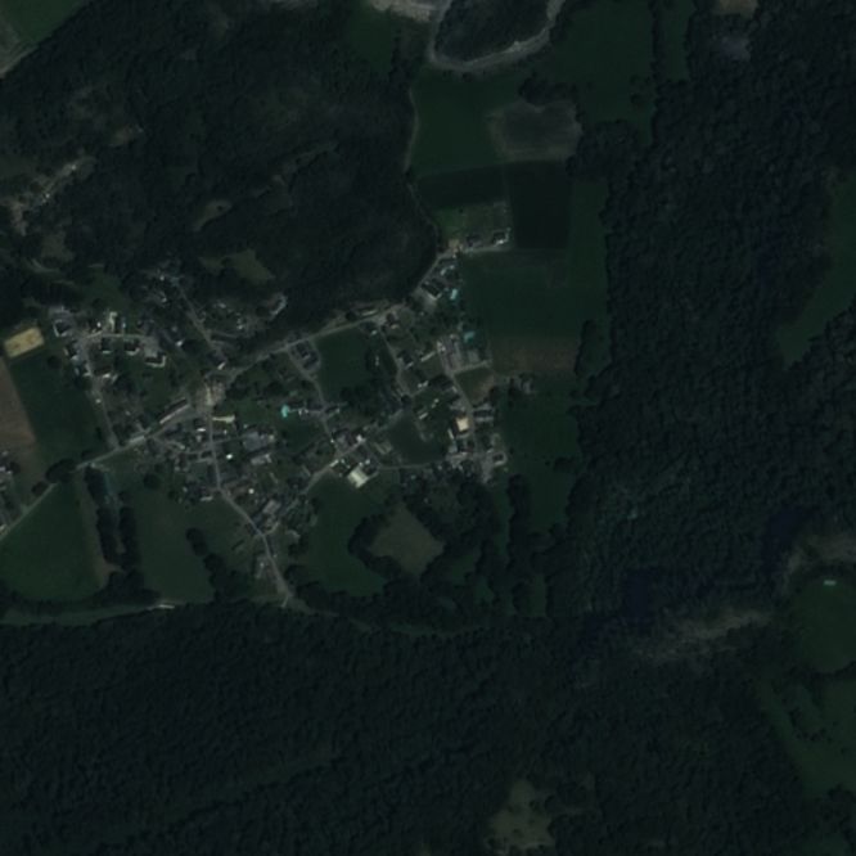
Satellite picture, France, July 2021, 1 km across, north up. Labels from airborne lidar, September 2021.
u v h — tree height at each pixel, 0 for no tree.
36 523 0
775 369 30
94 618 0
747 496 21
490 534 18
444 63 0
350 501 0
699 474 18
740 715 16
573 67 0
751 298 13
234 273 17
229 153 8
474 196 0
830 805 7
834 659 0
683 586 14
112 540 17
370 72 10
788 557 10
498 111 0
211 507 0
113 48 8
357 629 13
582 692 15
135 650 14
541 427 0
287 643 17
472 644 18
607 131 16
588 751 14
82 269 16
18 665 15
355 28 0
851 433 19
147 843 12
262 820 7
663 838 5
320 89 21
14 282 13
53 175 9
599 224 0
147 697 20
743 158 20
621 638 10
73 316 0
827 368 22
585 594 12
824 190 27
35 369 0
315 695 17
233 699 24
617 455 14
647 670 13
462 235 0
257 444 0
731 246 13
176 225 11
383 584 0
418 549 0
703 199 28
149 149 16
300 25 14
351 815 12
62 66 20
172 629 20
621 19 0
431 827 16
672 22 0
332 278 9
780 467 24
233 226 10
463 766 19
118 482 0
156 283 17
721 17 11
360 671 26
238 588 17
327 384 0
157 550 0
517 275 0
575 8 17
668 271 23
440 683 23
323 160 17
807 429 21
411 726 16
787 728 0
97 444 0
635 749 25
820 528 15
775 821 21
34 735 19
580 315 0
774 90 20
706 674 9
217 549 0
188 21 19
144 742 23
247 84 10
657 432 13
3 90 20
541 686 17
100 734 14
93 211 10
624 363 19
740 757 20
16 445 0
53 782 23
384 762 19
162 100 20
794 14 18
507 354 0
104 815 24
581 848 23
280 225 7
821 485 9
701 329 24
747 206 10
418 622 18
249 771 19
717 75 20
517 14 12
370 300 10
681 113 25
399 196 13
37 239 9
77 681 12
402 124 6
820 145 27
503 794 20
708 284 23
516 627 17
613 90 0
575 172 22
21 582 0
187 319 8
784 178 25
